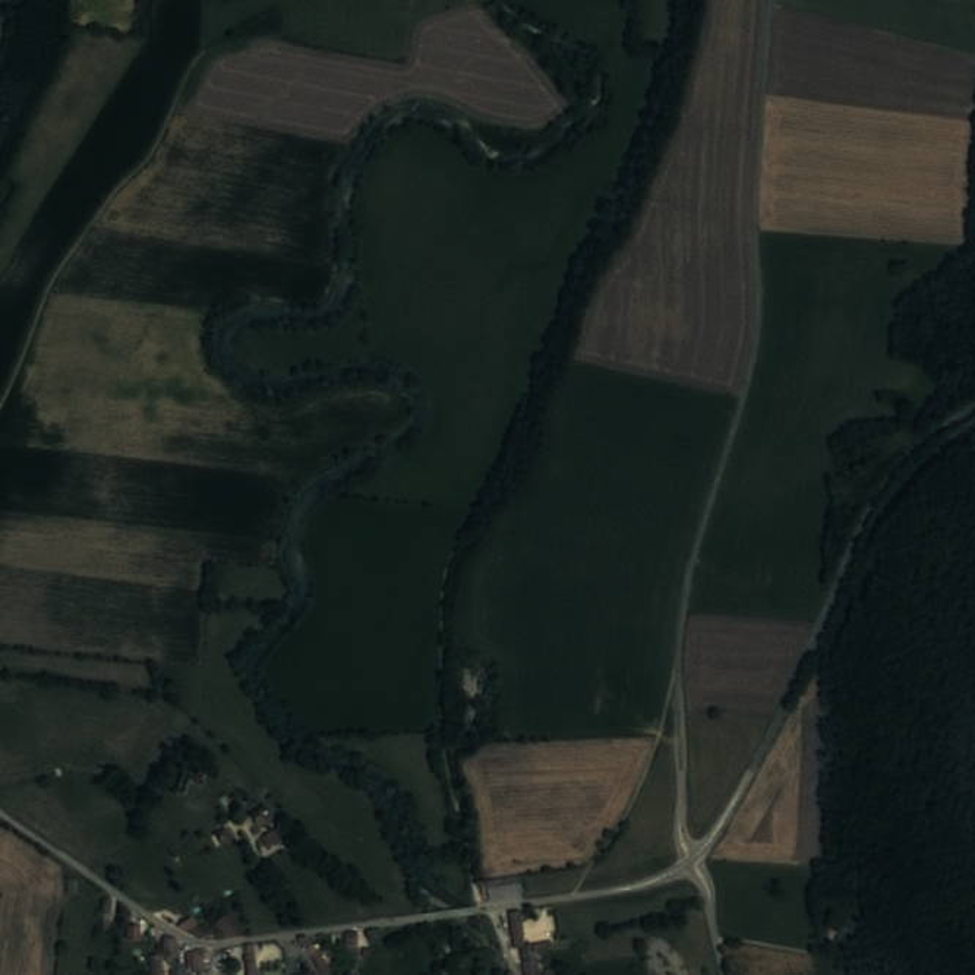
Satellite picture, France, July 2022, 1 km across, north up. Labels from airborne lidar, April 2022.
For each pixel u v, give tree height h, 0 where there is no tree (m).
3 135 22
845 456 13
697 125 0
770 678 0
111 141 0
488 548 0
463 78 0
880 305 0
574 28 0
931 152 0
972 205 12
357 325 0
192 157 0
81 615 0
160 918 0
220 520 0
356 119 0
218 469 0
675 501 0
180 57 0
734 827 0
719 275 0
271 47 0
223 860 0
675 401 0
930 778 12
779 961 0
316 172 0
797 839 0
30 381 0
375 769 13
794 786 0
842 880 21
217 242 0
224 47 0
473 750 8
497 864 0
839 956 15
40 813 0
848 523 20
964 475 13
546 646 0
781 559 0
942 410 21
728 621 0
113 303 0
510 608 0
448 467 0
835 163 0
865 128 0
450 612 8
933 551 14
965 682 7
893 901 23
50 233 0
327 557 0
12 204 8
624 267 0
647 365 0
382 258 0
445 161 0
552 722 0
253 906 0
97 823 0
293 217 0
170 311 0
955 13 0
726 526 0
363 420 0
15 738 0
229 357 0
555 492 0
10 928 0
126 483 0
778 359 0
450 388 0
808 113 0
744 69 0
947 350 22
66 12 8
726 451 0
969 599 16
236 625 0
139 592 0
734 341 0
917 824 18
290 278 0
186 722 0
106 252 0
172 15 0
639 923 9
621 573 0
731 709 0
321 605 0
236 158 0
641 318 0
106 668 0
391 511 0
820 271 0
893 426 20
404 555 0
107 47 0
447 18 0
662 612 0
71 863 0
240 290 0
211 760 25
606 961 0
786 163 0
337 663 0
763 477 0
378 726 0
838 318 0
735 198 0
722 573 0
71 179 0
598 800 0
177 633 0
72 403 0
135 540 0
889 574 17
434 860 16
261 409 0
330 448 0
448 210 0
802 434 0
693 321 0
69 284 0
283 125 0
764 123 0
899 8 0
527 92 0
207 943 0
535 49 8
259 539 0
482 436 0
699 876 0
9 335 0
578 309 19
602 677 0
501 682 11
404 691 0
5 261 0
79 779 0
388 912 0
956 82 0
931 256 0
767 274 0
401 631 0
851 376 0
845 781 21
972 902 12
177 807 0
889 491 15
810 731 0
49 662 0
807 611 0
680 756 0
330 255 0
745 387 0
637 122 0
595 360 0
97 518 0
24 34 17
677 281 0
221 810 7
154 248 0
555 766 0
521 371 0
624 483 0
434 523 0
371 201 0
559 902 0
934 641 13
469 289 0
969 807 7
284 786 0
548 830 0
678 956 0
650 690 0
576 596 0
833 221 0
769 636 0
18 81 21
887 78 0
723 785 0
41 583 0
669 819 0
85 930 0
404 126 8
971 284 25
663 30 0
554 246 0
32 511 0
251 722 0
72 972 0
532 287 0
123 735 0
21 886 0
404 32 0
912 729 14
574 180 0
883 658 17
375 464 15
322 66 0
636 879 0
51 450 0
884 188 0
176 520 0
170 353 0
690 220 0
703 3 16
